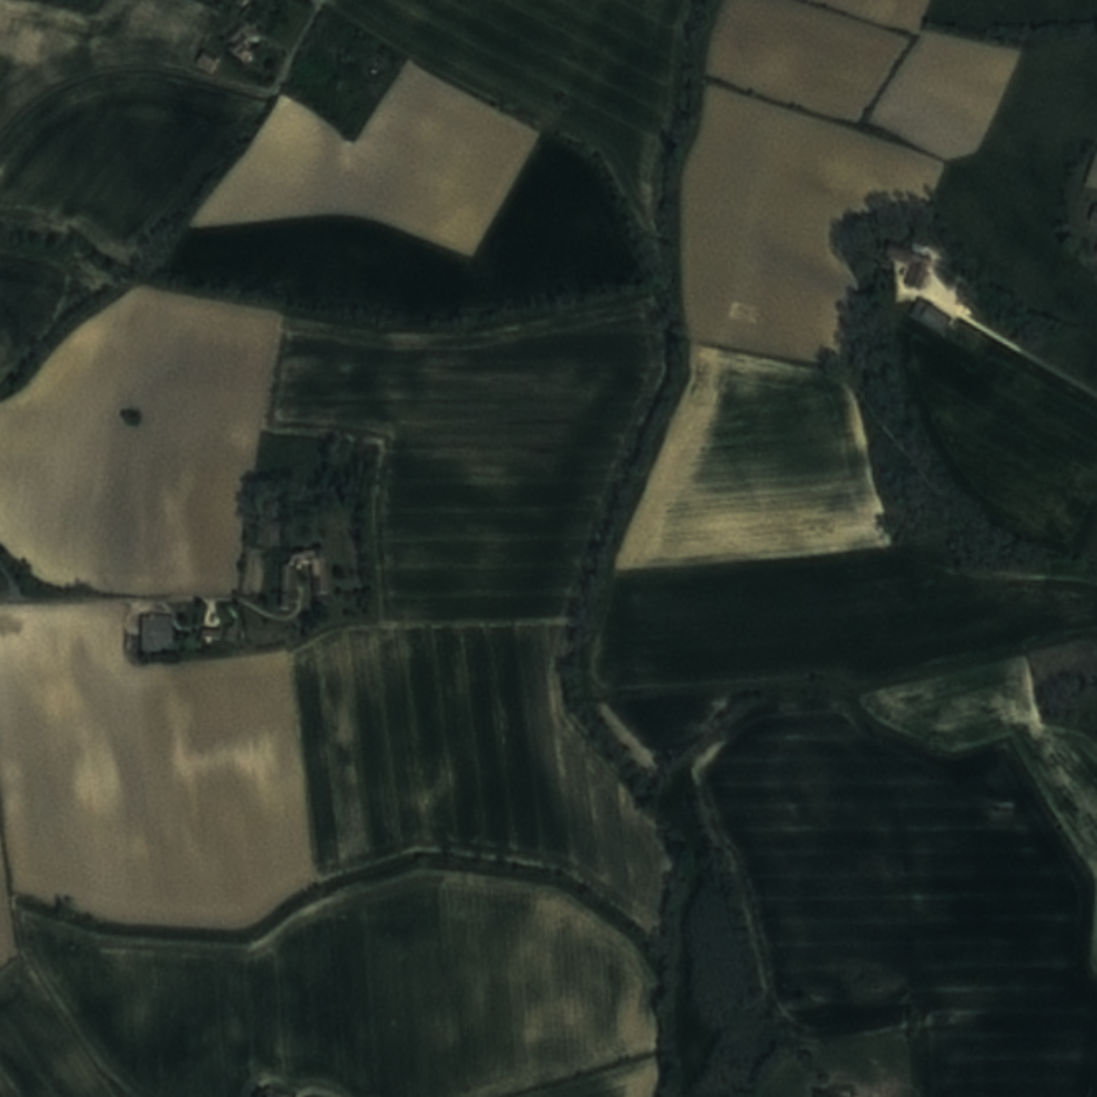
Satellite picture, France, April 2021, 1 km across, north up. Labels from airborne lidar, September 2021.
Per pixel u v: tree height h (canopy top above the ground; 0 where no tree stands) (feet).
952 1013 0
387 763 0
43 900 0
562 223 0
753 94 22
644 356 0
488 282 0
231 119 0
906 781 0
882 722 0
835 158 0
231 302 48
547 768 0
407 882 0
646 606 0
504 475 0
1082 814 0
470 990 0
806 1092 0
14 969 0
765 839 0
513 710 0
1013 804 0
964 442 0
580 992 0
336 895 0
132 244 0
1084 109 0
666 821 33
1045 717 37
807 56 0
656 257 54
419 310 0
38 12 0
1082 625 0
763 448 0
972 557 58
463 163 0
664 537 0
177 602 0
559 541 0
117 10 0
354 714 0
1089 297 0
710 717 0
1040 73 0
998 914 0
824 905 0
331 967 0
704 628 0
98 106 0
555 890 0
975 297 54
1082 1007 0
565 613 0
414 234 0
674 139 39
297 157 0
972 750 0
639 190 0
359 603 39
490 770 0
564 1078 0
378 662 0
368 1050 0
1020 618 0
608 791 0
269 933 0
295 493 58
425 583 0
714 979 50
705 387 0
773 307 0
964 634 0
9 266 0
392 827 0
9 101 0
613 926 0
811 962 0
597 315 0
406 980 0
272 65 20
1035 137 0
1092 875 0
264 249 0
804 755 0
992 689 0
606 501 0
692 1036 0
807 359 0
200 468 0
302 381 0
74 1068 0
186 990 0
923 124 0
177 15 0
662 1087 32
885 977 0
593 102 0
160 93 0
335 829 0
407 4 0
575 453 0
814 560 0
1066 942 0
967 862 0
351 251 0
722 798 0
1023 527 0
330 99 0
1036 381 0
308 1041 0
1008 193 0
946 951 0
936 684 0
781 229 0
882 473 30
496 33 0
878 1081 0
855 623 0
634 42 0
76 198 0
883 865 0
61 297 0
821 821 0
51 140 0
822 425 0
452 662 0
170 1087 0
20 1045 0
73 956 0
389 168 0
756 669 0
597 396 0
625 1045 0
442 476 0
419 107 0
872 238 41
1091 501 0
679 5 0
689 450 0
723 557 0
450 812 0
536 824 0
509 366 0
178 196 0
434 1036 0
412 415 0
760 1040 26
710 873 49
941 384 0
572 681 62
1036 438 0
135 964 0
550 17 0
